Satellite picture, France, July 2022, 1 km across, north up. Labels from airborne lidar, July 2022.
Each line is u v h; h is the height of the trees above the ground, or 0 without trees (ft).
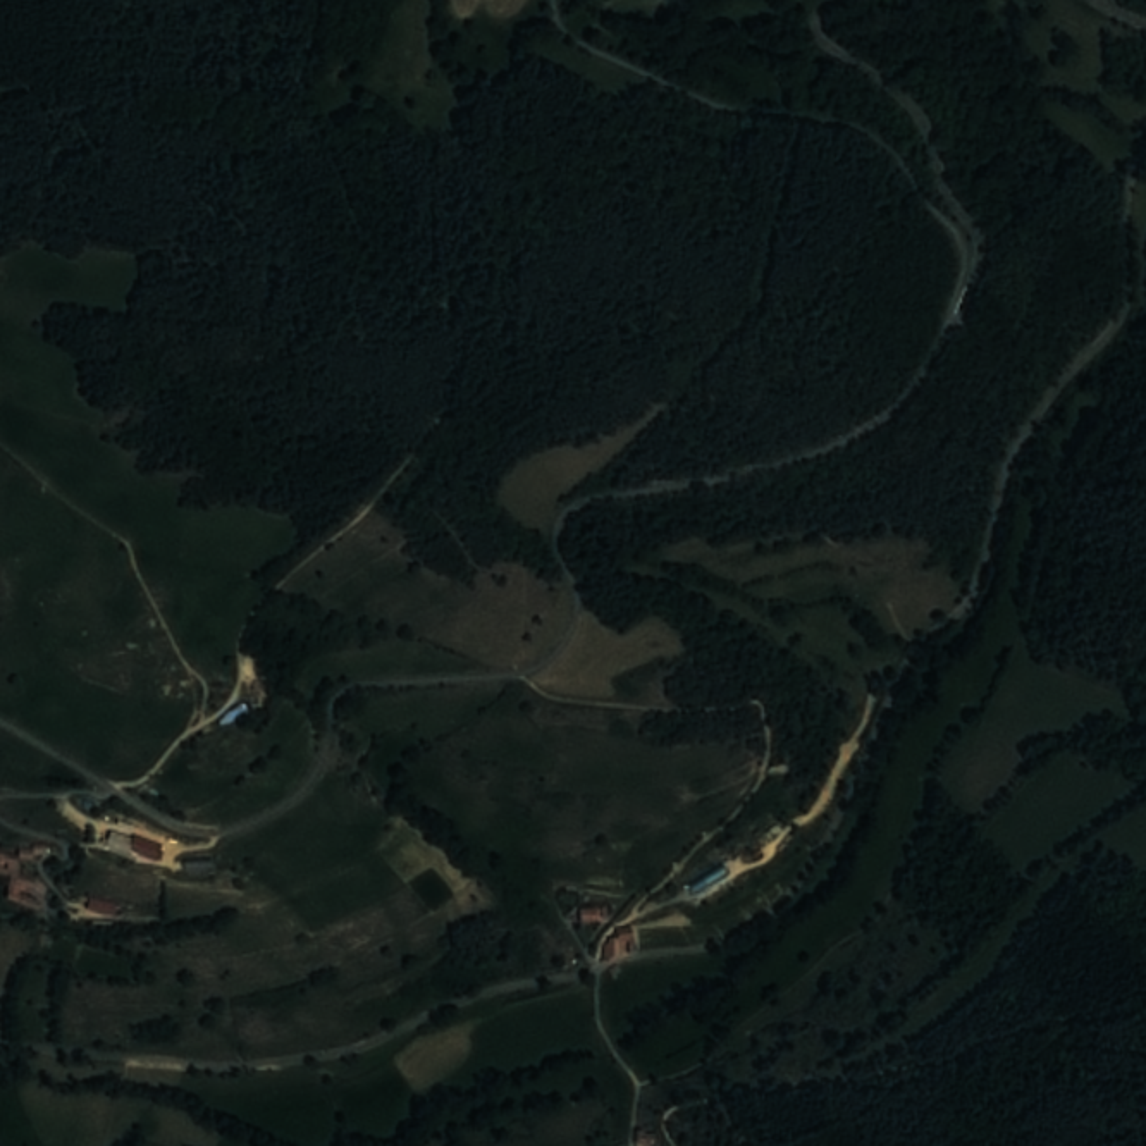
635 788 0
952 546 30
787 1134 58
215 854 0
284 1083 0
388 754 0
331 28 69
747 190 88
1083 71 0
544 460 0
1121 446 45
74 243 41
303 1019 0
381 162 73
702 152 49
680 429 48
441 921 0
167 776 0
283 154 78
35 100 53
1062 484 65
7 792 0
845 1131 48
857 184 77
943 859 34
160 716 0
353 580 0
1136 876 46
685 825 0
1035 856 0
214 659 0
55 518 0
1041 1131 54
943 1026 45
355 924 0
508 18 0
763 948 58
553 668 0
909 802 0
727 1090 43
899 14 81
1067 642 43
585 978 47
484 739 0
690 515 34
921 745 0
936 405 67
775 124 81
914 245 49
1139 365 29
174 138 79
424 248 80
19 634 0
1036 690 0
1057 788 0
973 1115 37
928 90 63
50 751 0
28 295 0
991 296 65
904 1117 47
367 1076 0
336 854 0
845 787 58
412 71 0
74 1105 0
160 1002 0
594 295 66
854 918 0
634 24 77
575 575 48
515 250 47
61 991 42
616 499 39
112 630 0
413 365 70
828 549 0
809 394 63
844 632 0
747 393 57
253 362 36
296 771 0
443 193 91
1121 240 65
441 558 40
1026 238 65
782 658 32
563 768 0
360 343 57
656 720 27
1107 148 0
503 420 66
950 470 66
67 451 0
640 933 0
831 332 60
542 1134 0
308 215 75
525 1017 0
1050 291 52
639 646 0
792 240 61
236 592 0
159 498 0
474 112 75
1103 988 49
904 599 0
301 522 27
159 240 38
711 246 70
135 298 54
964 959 40
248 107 94
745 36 65
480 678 0
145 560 0
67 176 61
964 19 69
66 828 0
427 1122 87
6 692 0
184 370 28
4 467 0
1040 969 43
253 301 61
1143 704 69
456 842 51
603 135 55
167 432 37
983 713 30
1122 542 51
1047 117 22
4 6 64
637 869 0
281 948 0
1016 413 49
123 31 72
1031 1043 35
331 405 59
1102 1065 61
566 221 50
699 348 45
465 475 54
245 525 0
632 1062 0
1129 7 36
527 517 0
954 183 73
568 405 49
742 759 0
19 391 0
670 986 0
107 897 0
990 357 59
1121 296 56
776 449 47
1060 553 48
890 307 39
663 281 57
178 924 37
